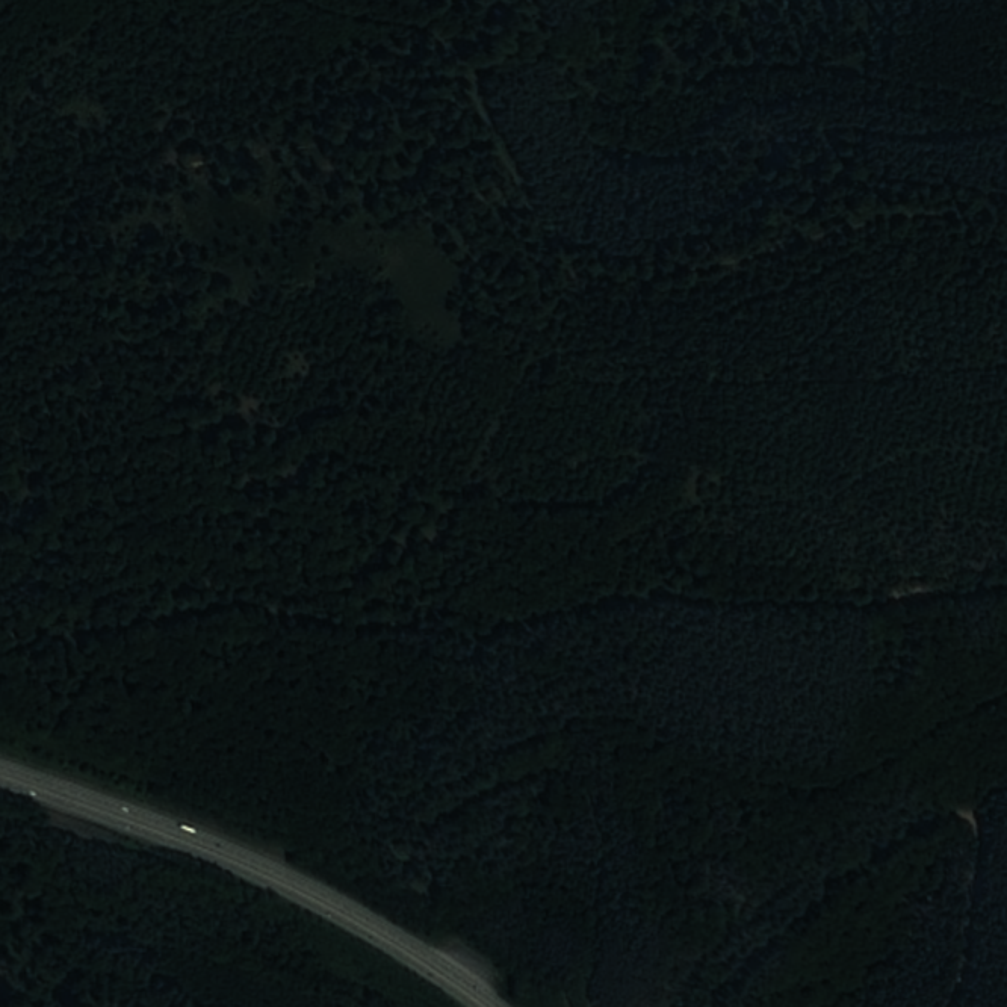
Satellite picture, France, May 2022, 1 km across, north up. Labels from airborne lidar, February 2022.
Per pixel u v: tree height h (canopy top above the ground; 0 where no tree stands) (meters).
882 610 21
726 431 10
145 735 32
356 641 29
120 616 30
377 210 31
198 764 26
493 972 0
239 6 8
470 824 30
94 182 16
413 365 10
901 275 10
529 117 30
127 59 11
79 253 25
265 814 21
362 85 8
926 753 24
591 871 23
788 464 7
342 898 0
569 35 28
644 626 30
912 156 31
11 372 23
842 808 28
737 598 19
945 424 8
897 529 8
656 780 24
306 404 13
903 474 8
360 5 14
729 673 31
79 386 23
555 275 27
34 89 8
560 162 30
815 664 25
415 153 14
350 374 6
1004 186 21
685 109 15
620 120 18
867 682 25
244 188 28
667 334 18
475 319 20
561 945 23
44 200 8
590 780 20
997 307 8
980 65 18
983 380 7
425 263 0
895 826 32
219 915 23
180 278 26
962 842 28
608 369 13
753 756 23
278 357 8
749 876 19
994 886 22
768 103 20
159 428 28
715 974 27
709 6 42
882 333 11
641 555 12
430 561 24
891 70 20
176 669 26
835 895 29
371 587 25
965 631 30
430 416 20
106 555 27
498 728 30
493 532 24
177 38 10
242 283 0
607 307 17
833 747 27
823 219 29
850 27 14
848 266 15
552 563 25
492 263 18
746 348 9
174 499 27
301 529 26
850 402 12
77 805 0
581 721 28
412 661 26
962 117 19
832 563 11
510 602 24
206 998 6
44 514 31
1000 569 9
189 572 27
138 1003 24
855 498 5
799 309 10
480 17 21
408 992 19
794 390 9
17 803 14
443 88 30
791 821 23
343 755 23
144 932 25
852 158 27
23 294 28
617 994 19
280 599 14
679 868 21
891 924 28
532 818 24
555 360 9
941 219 7
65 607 28
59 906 27
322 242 0
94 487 30
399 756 27
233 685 27
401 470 13
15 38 8
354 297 11
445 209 26
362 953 19
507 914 24
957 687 25
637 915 21
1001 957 25
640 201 27
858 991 27
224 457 26
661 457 15
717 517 7
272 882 0
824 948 32
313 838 17
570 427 9
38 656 28
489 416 6
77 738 23
